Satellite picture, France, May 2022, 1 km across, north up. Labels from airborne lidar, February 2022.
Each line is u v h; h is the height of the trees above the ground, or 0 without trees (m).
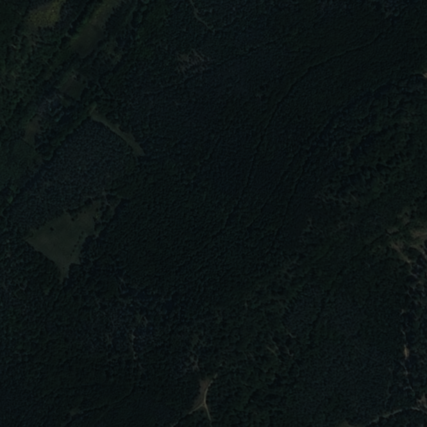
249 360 22
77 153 26
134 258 23
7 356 13
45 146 18
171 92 12
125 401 18
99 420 15
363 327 17
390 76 21
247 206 18
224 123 14
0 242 12
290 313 28
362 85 25
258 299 18
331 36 21
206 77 14
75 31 25
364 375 22
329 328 29
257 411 35
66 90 0
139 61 13
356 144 9
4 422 14
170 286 23
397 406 9
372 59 22
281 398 29
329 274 21
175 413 11
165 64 14
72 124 25
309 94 22
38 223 22
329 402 24
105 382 17
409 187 21
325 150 24
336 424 18
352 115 32
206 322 18
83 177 24
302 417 32
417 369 33
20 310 9
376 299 22
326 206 8
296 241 12
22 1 17
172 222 28
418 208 10
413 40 23
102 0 20
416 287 38
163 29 10
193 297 22
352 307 29
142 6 28
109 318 33
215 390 6
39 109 28
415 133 16
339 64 24
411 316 9
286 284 10
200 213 23
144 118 10
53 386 15
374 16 23
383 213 25
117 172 30
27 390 12
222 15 15
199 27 13
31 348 16
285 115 8
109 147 25
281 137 18
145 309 29
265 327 10
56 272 12
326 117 20
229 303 17
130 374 29
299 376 30
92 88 16
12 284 6
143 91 11
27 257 15
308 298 27
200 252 24
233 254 27
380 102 32
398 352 15
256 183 16
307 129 14
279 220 16
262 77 14
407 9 21
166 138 16
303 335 27
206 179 14
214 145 10
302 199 11
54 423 12
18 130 14
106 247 24
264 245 22
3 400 14
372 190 28
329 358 29
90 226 0
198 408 0
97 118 0
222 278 22
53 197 24
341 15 20
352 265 18
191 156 18
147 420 20
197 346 9
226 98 12
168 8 10
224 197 20
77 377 19
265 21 15
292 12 16
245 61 16
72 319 9
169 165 19
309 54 25
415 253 16
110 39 9
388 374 23
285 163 12
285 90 18
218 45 11
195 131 15
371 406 24
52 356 18
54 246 0
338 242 21
